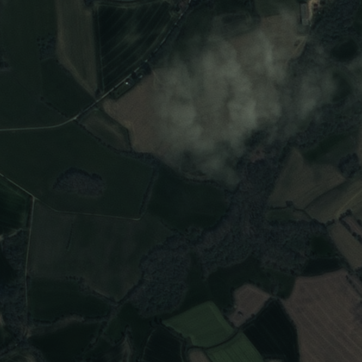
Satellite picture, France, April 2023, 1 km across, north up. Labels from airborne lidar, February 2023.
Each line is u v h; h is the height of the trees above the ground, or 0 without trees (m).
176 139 0
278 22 0
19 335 16
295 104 17
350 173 13
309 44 14
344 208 0
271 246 19
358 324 0
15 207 0
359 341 0
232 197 9
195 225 0
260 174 15
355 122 16
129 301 14
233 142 0
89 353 0
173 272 8
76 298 0
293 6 0
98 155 0
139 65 0
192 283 0
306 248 16
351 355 0
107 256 0
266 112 0
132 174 0
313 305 0
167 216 0
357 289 0
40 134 0
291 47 0
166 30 0
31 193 0
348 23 18
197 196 0
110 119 0
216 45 0
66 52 0
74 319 0
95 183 22
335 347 0
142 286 18
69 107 0
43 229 0
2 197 0
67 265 0
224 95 0
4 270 0
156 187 0
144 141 0
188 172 0
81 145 0
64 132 0
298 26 0
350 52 0
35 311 0
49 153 0
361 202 0
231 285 0
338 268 0
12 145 0
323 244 0
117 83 0
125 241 0
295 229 21
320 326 0
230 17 0
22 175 0
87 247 0
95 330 0
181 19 8
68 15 0
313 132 18
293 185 0
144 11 0
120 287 0
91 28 0
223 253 14
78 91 0
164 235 0
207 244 18
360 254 0
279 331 0
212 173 0
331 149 0
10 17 0
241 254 9
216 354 0
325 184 0
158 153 0
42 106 0
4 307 13
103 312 0
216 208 0
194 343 0
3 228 0
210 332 0
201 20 0
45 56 10
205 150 0
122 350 0
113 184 0
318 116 17
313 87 19
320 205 0
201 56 9
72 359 0
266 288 0
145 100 0
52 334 0
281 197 0
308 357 0
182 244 6
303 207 0
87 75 0
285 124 16
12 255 10
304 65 9
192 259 0
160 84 0
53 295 0
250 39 0
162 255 20
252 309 0
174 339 0
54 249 0
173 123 0
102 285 0
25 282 8
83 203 0
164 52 9
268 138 16
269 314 0
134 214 0
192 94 0
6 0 0
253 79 0
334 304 0
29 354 0
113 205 0
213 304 0
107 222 0
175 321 0
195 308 0
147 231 0
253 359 0
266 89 0
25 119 0
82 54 0
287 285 0
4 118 0
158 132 0
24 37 0
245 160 16
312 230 20
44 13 0
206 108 0
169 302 11
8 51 0
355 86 9
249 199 22
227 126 0
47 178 0
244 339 0
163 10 0
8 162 0
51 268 0
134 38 0
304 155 0
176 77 0
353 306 0
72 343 0
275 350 0
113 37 0
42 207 0
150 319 0
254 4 8
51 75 0
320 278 0
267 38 0
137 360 6
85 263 0
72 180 20
